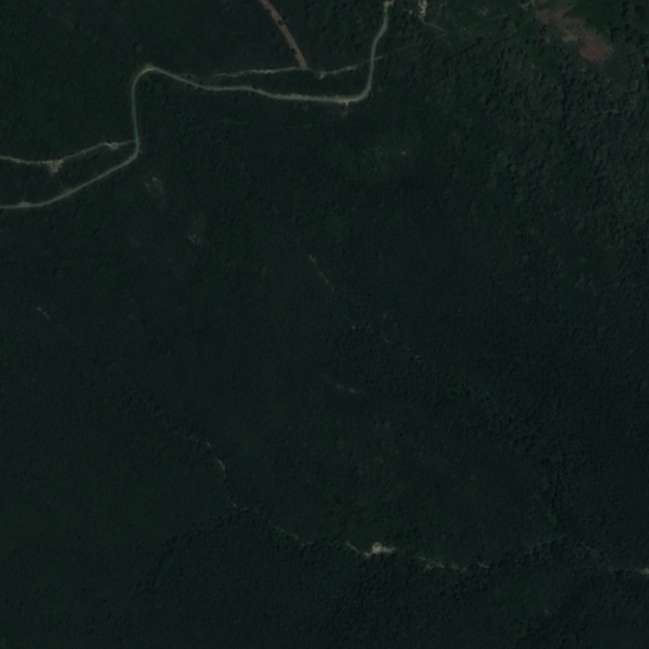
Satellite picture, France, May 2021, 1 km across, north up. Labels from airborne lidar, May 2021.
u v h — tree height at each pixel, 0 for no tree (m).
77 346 7
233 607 6
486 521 6
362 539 6
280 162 7
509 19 12
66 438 6
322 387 8
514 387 9
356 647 7
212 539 6
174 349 9
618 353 8
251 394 6
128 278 7
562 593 8
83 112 5
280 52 10
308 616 9
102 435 6
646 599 10
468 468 6
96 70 6
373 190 6
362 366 10
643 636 6
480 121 6
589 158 13
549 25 9
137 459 6
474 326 8
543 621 18
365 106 8
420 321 6
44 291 6
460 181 6
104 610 7
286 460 7
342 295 7
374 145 7
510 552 13
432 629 6
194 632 6
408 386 8
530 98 16
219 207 7
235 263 8
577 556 11
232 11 8
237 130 7
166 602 5
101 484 6
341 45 7
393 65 8
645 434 8
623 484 5
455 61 8
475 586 13
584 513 7
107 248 6
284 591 6
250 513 10
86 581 6
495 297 6
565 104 14
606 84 14
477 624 7
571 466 15
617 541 5
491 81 7
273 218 7
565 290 6
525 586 8
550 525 9
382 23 8
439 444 6
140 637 5
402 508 10
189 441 8
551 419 6
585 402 7
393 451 7
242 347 6
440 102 10
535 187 6
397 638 7
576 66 15
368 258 7
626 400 7
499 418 22
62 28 6
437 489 7
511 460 6
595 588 10
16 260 6
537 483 11
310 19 14
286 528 7
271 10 8
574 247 6
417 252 6
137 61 8
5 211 12
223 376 5
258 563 6
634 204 14
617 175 10
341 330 7
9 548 6
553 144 14
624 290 6
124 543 6
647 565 18
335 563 6
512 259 6
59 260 6
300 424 6
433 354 7
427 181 5
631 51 13
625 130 12
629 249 8
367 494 7
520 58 15
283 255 5
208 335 7
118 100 7
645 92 14
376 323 6
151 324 6
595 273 6
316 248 5
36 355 6
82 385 6
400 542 9
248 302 6
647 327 7
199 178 7
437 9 15
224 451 5
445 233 5
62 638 8
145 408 7
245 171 6
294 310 7
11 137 5
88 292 6
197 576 9
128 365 6
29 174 6
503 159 14
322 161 7
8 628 5
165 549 6
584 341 9
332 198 5
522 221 6
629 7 11
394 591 10
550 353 7
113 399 5
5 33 6
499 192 6
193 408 6
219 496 8
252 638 6
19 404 6
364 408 6
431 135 6
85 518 6
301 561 9
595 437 6
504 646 7
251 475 9
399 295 6
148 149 6
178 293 6
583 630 9
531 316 8
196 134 7
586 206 6
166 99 8
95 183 6
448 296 5
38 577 6
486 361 7
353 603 7
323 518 5
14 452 6
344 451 6
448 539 9
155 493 5
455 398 9
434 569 9
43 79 6
